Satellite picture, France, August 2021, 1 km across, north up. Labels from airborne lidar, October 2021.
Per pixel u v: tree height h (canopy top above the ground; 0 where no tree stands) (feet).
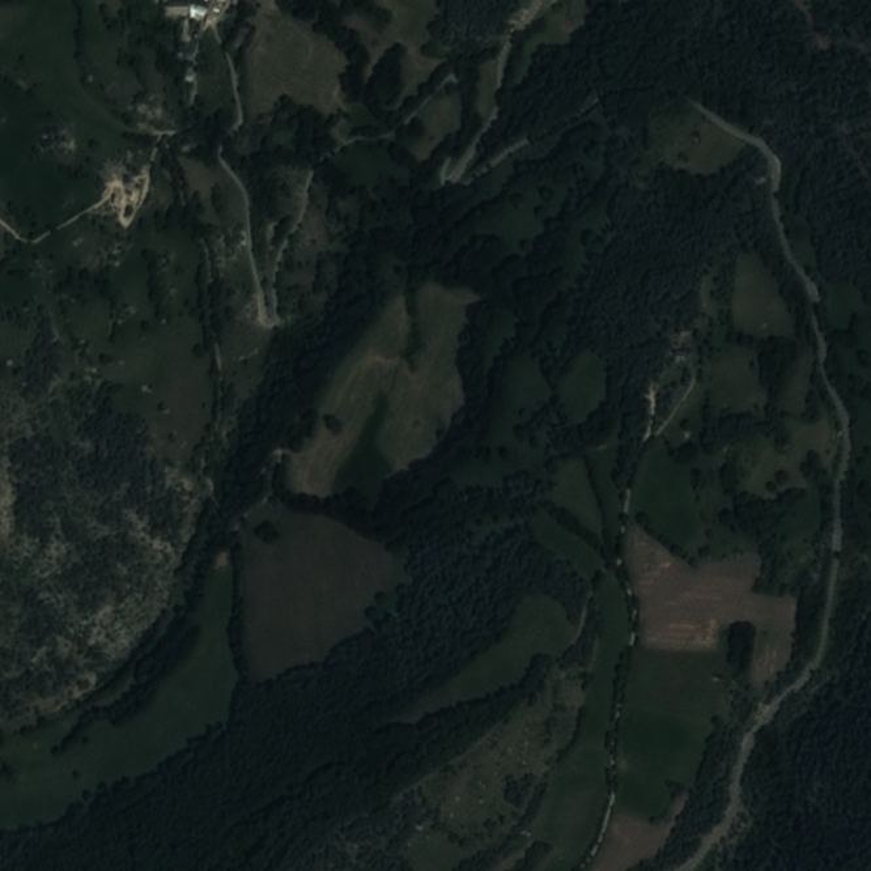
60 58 0
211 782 71
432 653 48
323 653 0
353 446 0
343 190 44
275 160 39
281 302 24
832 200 55
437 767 23
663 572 0
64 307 21
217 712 0
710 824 43
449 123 0
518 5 30
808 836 75
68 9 0
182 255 0
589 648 33
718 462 0
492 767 0
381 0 0
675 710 0
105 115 0
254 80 0
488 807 0
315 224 0
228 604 0
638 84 73
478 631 43
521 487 35
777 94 44
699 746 0
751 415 37
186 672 0
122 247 22
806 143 56
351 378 0
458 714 60
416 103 63
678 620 0
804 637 53
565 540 0
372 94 59
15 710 33
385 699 58
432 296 0
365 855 25
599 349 73
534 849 33
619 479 53
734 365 0
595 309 52
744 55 67
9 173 0
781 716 43
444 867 0
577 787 0
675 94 47
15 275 28
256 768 67
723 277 22
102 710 58
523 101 81
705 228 44
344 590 0
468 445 83
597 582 39
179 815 73
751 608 0
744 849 55
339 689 66
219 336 22
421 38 0
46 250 0
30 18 0
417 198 64
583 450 37
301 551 0
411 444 0
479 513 33
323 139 52
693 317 33
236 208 0
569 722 0
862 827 63
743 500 33
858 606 35
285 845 95
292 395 85
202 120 27
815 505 0
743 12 68
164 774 41
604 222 0
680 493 0
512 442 0
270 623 0
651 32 75
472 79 51
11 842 56
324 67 0
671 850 31
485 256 80
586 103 60
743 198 41
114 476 38
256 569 0
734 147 0
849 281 42
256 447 83
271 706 69
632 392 28
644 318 51
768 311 0
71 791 0
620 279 67
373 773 49
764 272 0
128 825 63
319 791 93
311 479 0
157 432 0
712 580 0
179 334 0
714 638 0
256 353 0
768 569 35
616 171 54
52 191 0
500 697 43
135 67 29
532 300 78
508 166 0
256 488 49
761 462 0
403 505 78
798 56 60
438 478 43
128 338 0
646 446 24
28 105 0
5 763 30
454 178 0
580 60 80
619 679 32
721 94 43
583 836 0
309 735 85
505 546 68
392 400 0
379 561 0
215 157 31
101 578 22
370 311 58
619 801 0
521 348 46
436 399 0
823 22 59
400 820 31
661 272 28
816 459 38
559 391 23
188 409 0
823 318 51
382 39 0
